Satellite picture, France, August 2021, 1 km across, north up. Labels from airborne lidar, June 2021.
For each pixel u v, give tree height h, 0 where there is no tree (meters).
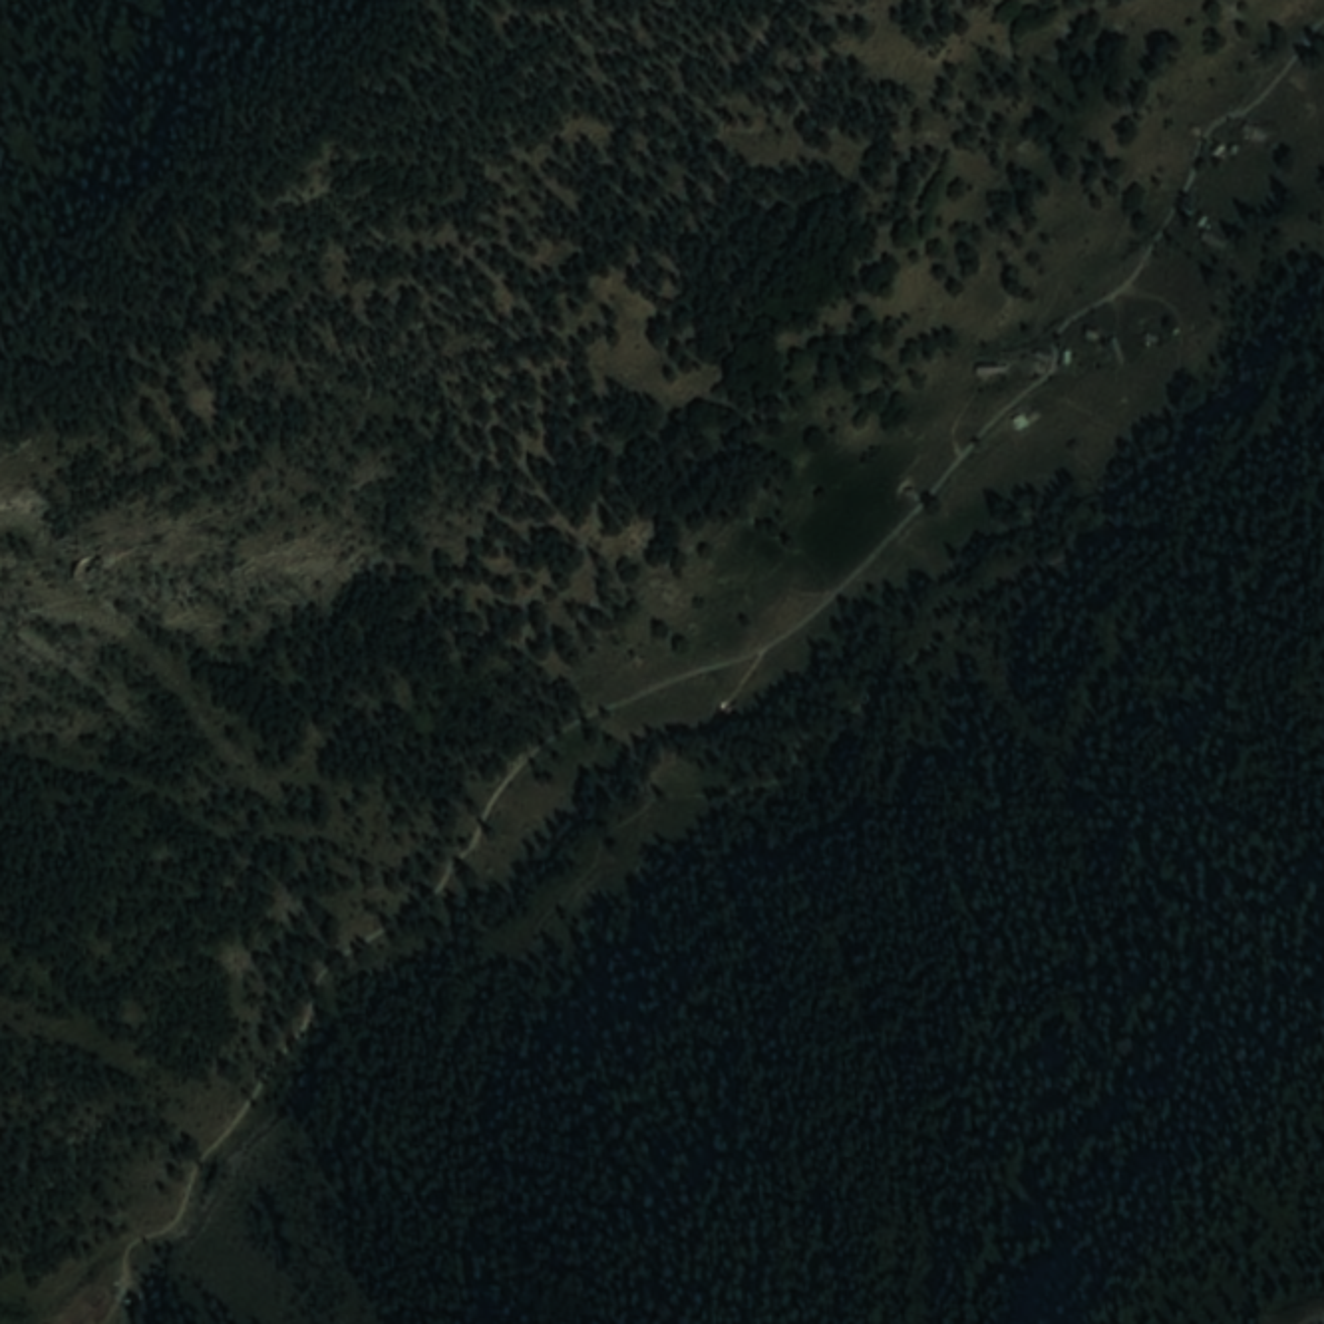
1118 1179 27
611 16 30
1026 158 0
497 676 7
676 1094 6
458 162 22
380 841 10
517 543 30
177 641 8
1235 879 9
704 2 30
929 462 0
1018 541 14
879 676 12
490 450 26
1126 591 15
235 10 22
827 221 17
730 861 7
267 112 19
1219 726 11
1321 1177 18
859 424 9
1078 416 0
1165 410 0
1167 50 25
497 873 0
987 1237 19
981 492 0
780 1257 25
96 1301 0
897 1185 12
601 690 0
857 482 0
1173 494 30
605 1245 22
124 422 18
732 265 27
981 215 0
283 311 31
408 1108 13
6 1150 20
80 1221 12
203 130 23
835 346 15
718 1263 26
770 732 26
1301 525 15
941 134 0
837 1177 23
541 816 0
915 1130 15
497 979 15
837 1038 23
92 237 18
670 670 0
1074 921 11
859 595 0
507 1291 8
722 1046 23
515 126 23
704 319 25
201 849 17
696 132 30
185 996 15
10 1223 21
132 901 12
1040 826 14
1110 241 0
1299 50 0
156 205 18
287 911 0
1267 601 14
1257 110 0
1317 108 0
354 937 0
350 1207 7
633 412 27
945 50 6
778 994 22
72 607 0
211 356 0
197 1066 14
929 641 0
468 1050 11
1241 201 0
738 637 0
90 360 21
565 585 24
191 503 11
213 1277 0
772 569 0
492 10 31
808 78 13
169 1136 16
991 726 9
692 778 0
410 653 23
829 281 19
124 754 18
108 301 24
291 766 22
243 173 28
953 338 19
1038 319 0
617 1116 20
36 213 17
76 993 19
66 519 7
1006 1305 20
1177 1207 21
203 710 0
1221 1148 16
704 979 19
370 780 27
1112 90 9
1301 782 15
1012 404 0
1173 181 0
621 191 32
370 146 25
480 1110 15
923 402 0
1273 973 19
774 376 17
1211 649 17
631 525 23
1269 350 9
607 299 0
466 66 30
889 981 16
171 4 8
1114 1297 17
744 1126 7
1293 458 17
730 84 31
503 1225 12
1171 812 14
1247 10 11
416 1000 16
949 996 8
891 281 14
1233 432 24
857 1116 19
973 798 18
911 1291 11
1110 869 16
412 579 22
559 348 32
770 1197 19
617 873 0
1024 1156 27
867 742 10
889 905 17
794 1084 23
